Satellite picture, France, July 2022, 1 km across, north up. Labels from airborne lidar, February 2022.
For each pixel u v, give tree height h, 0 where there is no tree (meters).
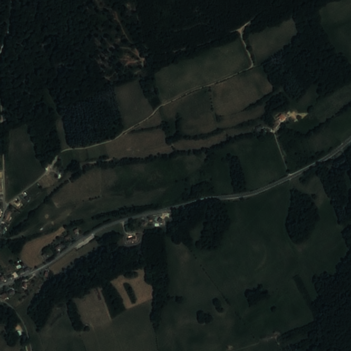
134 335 0
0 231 0
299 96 16
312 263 0
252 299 21
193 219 20
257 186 0
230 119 0
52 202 0
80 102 26
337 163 18
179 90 0
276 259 0
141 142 0
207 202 23
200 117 0
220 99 0
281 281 0
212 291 0
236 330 0
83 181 0
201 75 0
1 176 0
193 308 0
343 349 29
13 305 0
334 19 0
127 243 0
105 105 24
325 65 26
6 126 20
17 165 0
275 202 0
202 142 0
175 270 0
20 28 26
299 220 9
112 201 0
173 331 0
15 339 20
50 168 0
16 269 0
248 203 0
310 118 0
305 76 30
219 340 0
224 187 0
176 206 0
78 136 23
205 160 11
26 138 0
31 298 0
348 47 0
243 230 0
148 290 0
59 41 26
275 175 0
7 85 26
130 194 0
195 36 6
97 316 0
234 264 0
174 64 11
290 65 25
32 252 0
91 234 0
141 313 0
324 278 9
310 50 27
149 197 0
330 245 0
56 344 0
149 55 14
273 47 0
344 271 26
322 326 26
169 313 0
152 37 10
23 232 0
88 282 21
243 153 0
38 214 0
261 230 0
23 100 30
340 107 0
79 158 0
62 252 0
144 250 9
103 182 0
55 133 21
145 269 14
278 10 11
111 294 18
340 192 19
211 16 10
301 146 0
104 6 0
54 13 24
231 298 0
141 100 0
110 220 8
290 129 7
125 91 0
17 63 29
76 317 14
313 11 26
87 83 27
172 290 0
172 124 0
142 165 0
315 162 0
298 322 0
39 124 26
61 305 0
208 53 0
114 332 0
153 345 0
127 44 28
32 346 0
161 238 8
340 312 29
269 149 0
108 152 0
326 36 22
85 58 25
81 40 20
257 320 0
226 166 0
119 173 0
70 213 0
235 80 0
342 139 0
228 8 11
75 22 19
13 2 17
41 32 32
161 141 0
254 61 7
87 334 0
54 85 24
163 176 0
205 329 0
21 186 0
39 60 24
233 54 0
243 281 0
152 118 0
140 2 8
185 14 8
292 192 13
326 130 0
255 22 11
